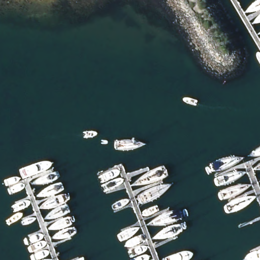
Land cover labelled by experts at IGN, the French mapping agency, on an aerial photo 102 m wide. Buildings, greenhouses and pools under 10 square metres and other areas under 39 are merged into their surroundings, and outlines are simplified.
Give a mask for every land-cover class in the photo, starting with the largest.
<instances>
[{"label":"water","instance_id":"1","mask_svg":"<svg viewBox=\"0 0 260 260\"><path fill-rule=\"evenodd\" d=\"M258 48L257 58L252 63L248 62L246 67L242 75L233 79L220 80L207 74L182 41L179 31L158 0H0V260H260V0H230Z\"/></svg>","mask_w":260,"mask_h":260},{"label":"impervious surface","instance_id":"2","mask_svg":"<svg viewBox=\"0 0 260 260\"><path fill-rule=\"evenodd\" d=\"M203 9L209 7L208 12L215 20L216 27L229 40L225 45V51L229 54H218L215 49L219 42L208 38L209 29L203 28L194 15L202 10L199 0H167L168 5L180 18L181 26L188 32L192 40L190 45H194L195 49L200 51L206 65L218 74L233 71L239 63L246 67L248 62L252 63L257 58L258 48L230 0H205Z\"/></svg>","mask_w":260,"mask_h":260},{"label":"herbaceous vegetation","instance_id":"3","mask_svg":"<svg viewBox=\"0 0 260 260\"><path fill-rule=\"evenodd\" d=\"M179 31L182 41L207 74L220 80L233 79L242 75L246 67L239 63L233 71L218 74L206 65L200 51L195 49L194 45H190L192 40L188 32L181 26L180 18L168 5L167 0H158Z\"/></svg>","mask_w":260,"mask_h":260},{"label":"brushwood","instance_id":"4","mask_svg":"<svg viewBox=\"0 0 260 260\"><path fill-rule=\"evenodd\" d=\"M205 0H199L202 10L194 15L203 28L209 29L208 38L219 42L215 49L218 54H229L225 51V45L229 40L216 27L215 20L208 12L209 7L203 9Z\"/></svg>","mask_w":260,"mask_h":260}]
</instances>
